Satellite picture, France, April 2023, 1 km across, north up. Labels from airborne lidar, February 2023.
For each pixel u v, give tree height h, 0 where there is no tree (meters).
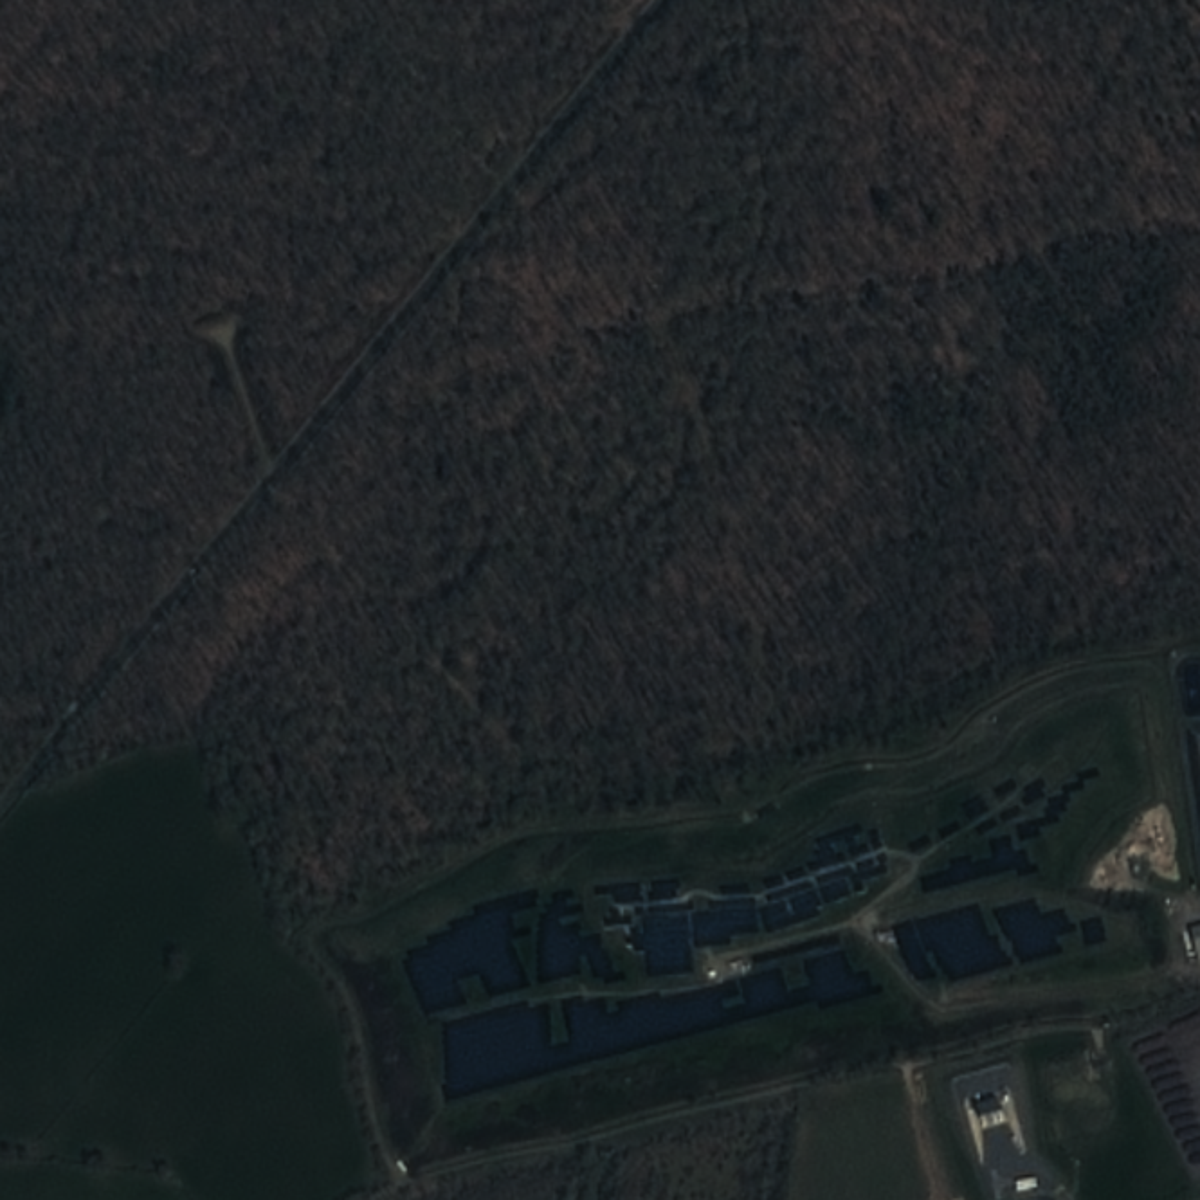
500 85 19
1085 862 0
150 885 0
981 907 0
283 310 20
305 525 20
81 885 0
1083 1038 0
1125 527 26
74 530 24
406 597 21
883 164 13
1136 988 0
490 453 17
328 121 22
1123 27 23
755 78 22
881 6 21
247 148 21
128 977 0
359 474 21
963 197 24
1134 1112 0
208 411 18
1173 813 0
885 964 0
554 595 23
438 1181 0
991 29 19
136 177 18
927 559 26
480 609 22
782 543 23
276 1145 0
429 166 21
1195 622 20
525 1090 0
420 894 0
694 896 0
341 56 21
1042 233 21
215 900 0
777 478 20
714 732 25
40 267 22
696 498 16
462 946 0
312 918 12
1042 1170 0
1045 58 24
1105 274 30
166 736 19
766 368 22
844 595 24
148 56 25
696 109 23
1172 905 0
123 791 0
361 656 22
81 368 20
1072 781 0
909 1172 0
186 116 18
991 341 26
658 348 23
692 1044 0
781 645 23
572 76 14
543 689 22
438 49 17
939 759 0
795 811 0
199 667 22
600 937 0
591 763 22
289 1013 0
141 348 19
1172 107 22
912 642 24
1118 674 0
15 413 17
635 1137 0
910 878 0
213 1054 0
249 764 20
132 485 22
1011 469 28
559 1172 9
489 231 17
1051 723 0
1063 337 29
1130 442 28
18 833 0
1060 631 23
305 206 20
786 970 0
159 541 20
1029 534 27
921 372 27
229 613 19
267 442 0
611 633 24
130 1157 0
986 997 0
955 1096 0
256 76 19
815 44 21
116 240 20
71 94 23
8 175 13
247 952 0
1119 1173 0
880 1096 0
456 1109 0
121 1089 0
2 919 0
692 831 0
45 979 0
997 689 17
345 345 20
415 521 18
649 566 23
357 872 23
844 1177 0
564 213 20
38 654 24
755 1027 0
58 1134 0
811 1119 0
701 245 24
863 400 27
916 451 26
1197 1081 0
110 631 23
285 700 21
